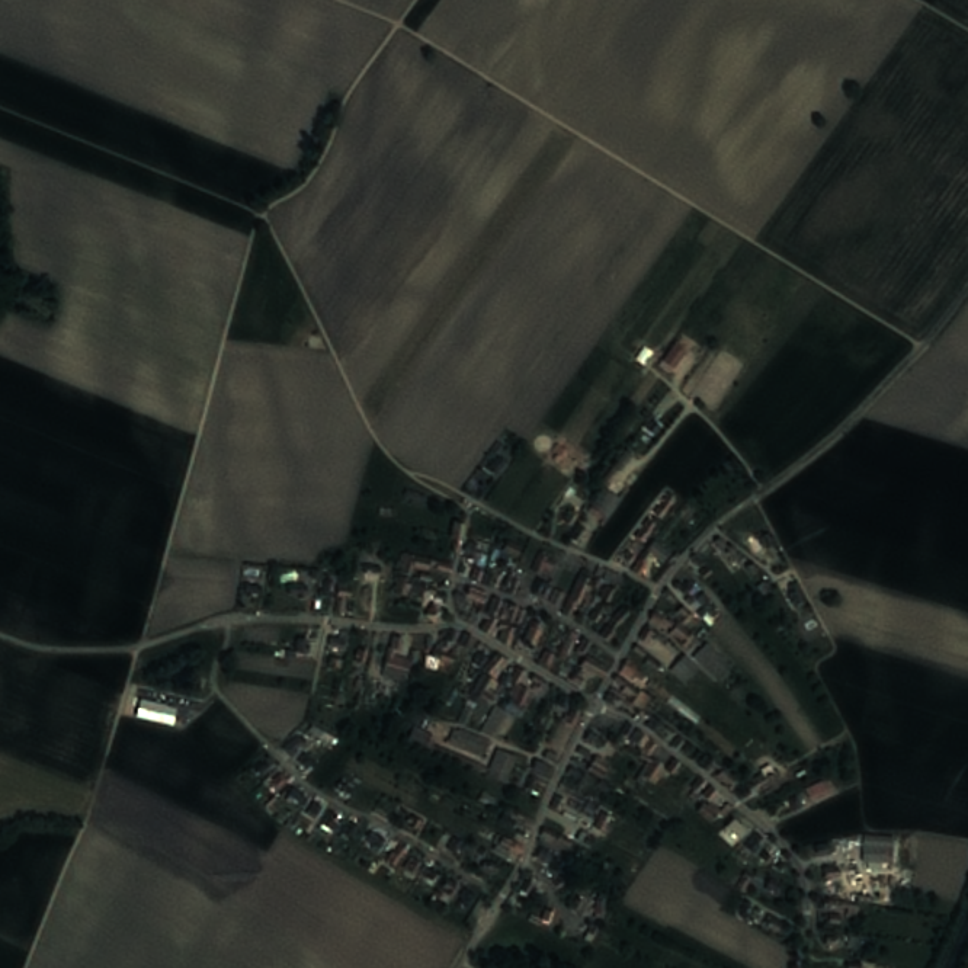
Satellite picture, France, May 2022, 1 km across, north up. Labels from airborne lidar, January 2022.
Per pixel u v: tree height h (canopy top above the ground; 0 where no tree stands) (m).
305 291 0
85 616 0
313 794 0
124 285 0
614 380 0
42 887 0
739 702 0
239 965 0
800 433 0
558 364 0
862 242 0
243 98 0
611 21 0
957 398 0
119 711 0
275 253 0
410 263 0
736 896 0
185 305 0
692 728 11
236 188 0
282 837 0
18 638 0
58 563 0
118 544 0
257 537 0
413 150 0
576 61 0
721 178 0
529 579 0
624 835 0
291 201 0
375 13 0
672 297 0
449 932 0
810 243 0
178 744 0
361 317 0
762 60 0
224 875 0
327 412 0
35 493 0
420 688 12
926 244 0
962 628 0
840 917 8
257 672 0
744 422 0
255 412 0
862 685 0
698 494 9
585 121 0
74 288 0
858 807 0
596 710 0
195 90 0
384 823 0
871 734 0
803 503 0
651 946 0
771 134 0
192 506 0
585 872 25
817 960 0
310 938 0
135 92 0
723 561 0
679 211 0
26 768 0
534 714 0
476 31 0
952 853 0
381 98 0
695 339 0
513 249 0
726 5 0
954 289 0
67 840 0
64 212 0
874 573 0
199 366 0
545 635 0
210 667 0
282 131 0
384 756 0
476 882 0
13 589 0
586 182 0
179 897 0
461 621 0
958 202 0
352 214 0
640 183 0
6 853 0
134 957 0
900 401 0
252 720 0
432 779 10
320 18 0
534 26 0
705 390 0
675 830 12
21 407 0
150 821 0
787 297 0
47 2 0
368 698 0
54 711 0
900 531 0
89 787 0
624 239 0
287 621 0
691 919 0
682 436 0
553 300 0
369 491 6
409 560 0
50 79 0
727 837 0
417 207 0
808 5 0
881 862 0
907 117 0
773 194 0
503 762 0
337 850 0
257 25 0
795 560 0
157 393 0
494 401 0
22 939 0
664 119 0
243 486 0
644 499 0
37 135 0
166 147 0
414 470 0
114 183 0
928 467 0
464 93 0
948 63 0
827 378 0
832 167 0
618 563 0
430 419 0
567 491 0
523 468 0
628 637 0
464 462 0
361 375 0
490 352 0
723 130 0
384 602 0
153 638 0
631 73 0
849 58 0
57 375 0
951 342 0
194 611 0
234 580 0
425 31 0
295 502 0
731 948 0
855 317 0
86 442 0
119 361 0
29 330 0
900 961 0
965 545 0
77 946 0
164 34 0
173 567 0
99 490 0
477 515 0
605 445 10
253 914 0
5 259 24
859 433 0
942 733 0
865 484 0
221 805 0
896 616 0
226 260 0
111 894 0
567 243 0
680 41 0
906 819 0
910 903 12
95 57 0
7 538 0
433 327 0
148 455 0
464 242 0
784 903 9
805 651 9
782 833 5
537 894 17
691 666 0
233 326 0
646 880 0
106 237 0
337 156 0
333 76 0
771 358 0
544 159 0
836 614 0
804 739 0
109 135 0
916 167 0
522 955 20
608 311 0
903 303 0
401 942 0
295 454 0
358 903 0
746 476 11
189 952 0
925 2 0
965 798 0
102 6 0
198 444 0
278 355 0
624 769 0
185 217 0
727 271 0
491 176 0
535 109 0
